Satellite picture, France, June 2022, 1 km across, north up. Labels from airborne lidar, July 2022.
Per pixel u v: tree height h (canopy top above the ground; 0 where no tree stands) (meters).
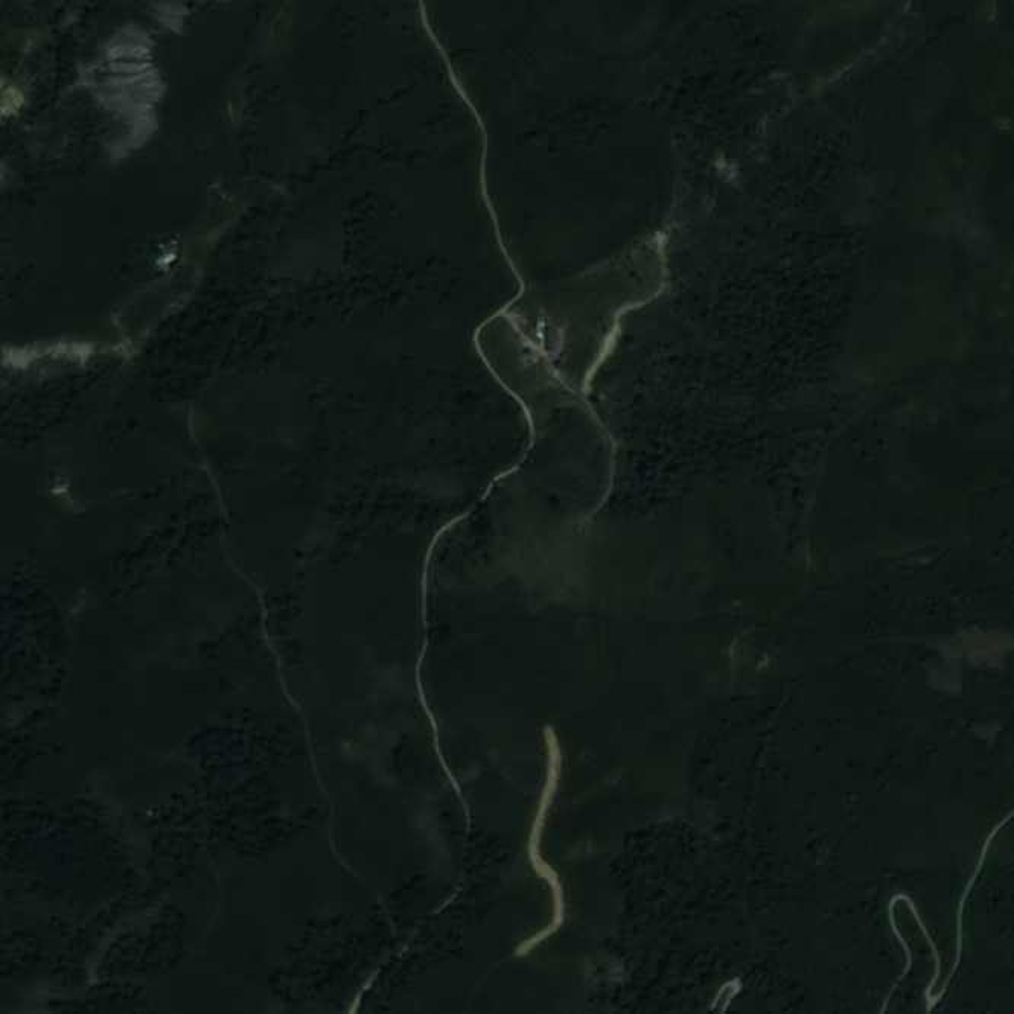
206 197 0
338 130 0
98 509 0
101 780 0
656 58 0
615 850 0
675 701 0
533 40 0
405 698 0
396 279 6
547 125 7
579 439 0
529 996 0
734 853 6
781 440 7
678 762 0
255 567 0
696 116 9
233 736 16
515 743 0
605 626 0
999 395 0
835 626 0
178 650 0
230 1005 0
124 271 9
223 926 0
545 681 0
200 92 0
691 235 0
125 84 0
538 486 0
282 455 0
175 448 0
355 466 0
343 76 0
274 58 0
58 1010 17
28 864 14
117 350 0
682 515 0
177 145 0
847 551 0
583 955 0
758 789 6
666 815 0
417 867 0
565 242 0
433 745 0
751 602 0
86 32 12
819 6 0
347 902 0
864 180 0
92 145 8
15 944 9
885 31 0
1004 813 0
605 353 0
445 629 7
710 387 6
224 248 9
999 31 0
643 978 11
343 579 0
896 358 0
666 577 0
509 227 0
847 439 0
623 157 0
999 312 0
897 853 0
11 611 22
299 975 9
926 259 0
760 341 7
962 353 0
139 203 0
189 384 9
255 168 6
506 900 0
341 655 0
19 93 0
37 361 0
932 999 0
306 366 0
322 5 0
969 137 0
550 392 0
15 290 9
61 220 0
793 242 10
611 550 0
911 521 0
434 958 6
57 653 17
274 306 10
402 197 0
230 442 0
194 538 11
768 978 8
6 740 11
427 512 11
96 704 0
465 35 0
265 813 15
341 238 0
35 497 0
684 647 0
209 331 13
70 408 14
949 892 0
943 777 0
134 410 0
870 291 0
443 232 0
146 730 0
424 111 0
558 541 0
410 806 0
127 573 9
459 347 0
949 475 0
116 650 0
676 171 0
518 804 0
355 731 0
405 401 0
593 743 0
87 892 14
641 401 9
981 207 0
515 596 0
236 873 0
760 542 0
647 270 0
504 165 0
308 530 0
